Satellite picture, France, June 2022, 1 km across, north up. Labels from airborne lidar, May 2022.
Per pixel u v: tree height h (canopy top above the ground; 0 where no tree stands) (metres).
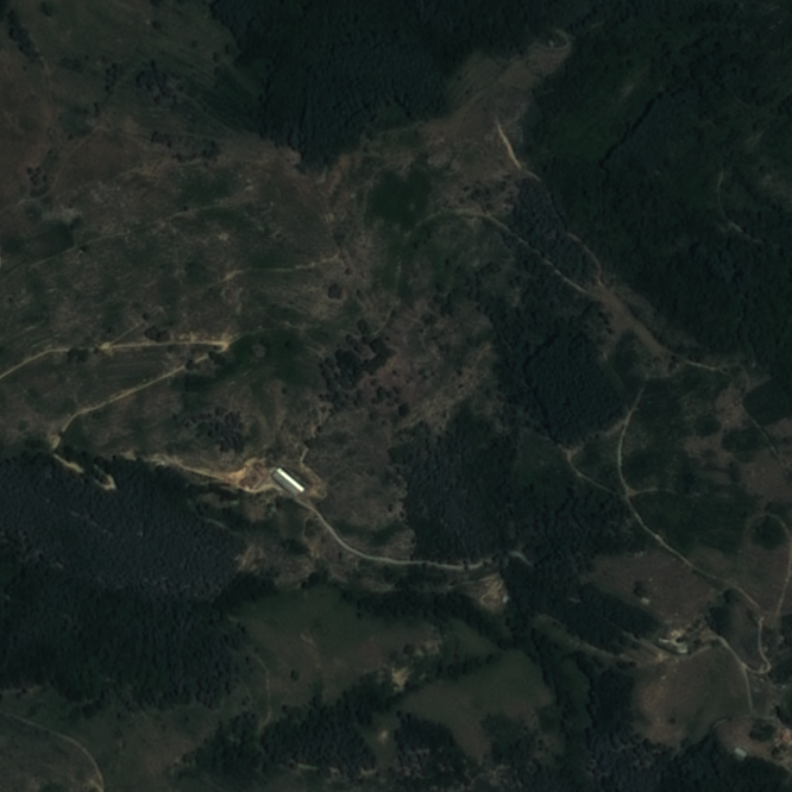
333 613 0
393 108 26
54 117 0
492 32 13
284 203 0
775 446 0
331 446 0
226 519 9
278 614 0
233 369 8
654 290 13
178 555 14
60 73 0
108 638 20
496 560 14
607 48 14
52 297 0
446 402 0
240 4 29
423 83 29
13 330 0
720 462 0
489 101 0
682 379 0
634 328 0
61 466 19
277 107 18
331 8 21
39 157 0
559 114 16
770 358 16
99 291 0
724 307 19
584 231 8
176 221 0
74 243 0
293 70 21
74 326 0
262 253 0
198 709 0
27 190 0
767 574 0
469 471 13
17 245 0
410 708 0
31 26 0
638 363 0
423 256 0
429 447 13
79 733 0
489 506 15
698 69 14
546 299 9
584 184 14
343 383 13
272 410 0
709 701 0
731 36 7
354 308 0
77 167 0
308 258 0
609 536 8
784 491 0
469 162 0
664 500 0
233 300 0
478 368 0
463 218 0
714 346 14
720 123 11
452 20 15
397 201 0
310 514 0
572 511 15
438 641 0
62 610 23
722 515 0
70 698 12
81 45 0
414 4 16
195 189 0
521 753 15
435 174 0
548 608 28
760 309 20
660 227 29
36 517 18
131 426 0
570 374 26
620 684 19
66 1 0
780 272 20
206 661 17
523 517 10
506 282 0
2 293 0
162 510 15
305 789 0
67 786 0
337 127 25
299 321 0
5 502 19
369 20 19
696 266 19
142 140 0
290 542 9
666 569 0
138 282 0
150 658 14
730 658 0
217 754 14
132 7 0
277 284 0
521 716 0
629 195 18
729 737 0
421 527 9
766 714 0
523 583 16
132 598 22
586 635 20
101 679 19
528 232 6
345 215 0
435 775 15
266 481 0
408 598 14
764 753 0
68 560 16
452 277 0
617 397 29
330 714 20
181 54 0
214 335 0
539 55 0
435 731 17
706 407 0
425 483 15
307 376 0
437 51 16
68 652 14
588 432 30
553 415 29
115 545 15
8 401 0
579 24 7
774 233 19
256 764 11
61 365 0
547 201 13
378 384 10
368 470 0
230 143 0
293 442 0
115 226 0
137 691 11
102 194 0
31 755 0
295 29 25
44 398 0
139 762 0
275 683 0
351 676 0
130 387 0
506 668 0
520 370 17
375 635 0
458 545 12
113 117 0
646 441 0
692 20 14
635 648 8
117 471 21
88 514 15
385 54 31
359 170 0
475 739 0
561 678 28
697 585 0
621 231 9
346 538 0
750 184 14
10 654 17
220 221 0
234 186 0
